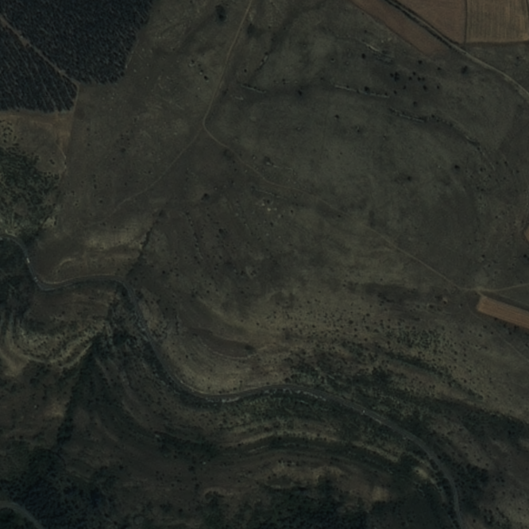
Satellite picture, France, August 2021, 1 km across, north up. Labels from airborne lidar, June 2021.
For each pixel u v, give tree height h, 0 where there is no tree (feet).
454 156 0
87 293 0
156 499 0
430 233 0
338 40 0
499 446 0
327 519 35
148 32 0
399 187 0
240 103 0
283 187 0
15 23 41
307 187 0
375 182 0
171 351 0
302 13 0
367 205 0
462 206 0
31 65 39
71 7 32
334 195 0
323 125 0
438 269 0
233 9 0
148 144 0
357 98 0
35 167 0
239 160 0
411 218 0
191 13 0
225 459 0
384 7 0
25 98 38
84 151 0
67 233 0
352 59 0
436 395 0
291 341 0
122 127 0
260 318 0
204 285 0
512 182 0
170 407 0
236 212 0
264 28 0
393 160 0
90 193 0
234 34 0
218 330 0
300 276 0
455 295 0
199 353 0
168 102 0
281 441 20
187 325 0
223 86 0
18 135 0
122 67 31
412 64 0
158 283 0
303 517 42
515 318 0
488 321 0
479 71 0
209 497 20
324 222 0
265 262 0
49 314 0
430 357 0
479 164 0
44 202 0
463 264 0
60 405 0
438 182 0
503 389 0
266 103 0
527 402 0
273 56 0
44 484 53
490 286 0
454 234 0
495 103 0
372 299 0
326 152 0
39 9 36
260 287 0
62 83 38
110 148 0
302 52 0
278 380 0
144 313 0
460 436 0
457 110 0
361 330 0
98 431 0
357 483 0
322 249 0
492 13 0
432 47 0
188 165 0
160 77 0
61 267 0
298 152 0
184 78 0
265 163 0
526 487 0
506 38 0
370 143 0
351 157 0
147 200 0
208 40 0
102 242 0
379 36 0
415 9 0
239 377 0
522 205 0
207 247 0
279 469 0
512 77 0
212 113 0
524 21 0
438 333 0
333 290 0
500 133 0
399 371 0
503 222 0
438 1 0
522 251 0
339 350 0
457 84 0
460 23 0
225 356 0
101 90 0
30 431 0
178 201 0
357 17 0
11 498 25
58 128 0
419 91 0
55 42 33
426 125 0
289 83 0
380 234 0
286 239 0
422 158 0
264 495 0
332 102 0
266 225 0
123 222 0
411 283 0
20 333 0
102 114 0
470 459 0
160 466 0
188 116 0
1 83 37
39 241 0
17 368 0
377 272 0
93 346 23
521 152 0
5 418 0
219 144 0
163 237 0
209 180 0
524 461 0
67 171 0
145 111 0
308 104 0
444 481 23
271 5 0
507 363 0
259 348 0
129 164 0
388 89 0
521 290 0
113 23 41
